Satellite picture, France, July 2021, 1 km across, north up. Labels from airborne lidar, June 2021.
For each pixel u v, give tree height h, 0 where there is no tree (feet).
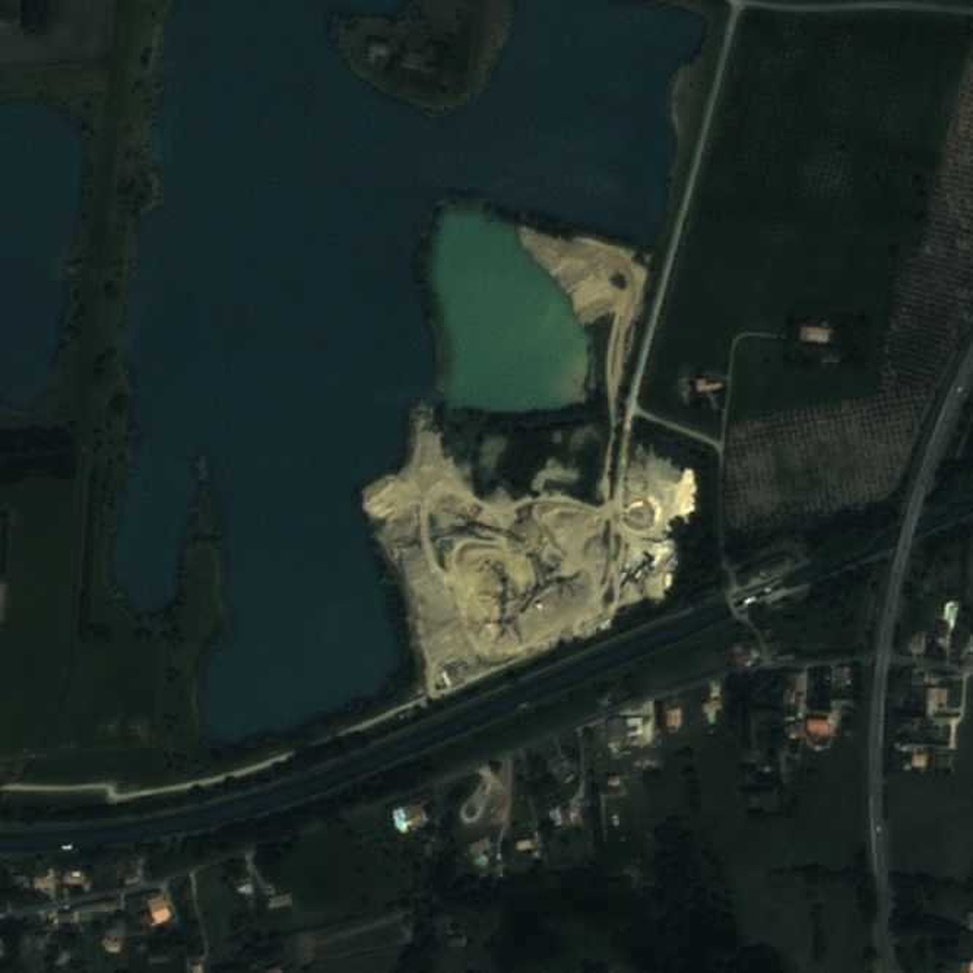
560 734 0
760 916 0
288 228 0
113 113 0
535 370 0
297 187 0
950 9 0
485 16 0
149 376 0
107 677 0
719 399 34
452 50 27
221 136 0
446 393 0
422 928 39
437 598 0
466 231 0
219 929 0
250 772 0
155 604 0
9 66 0
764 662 0
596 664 0
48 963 19
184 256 0
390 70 25
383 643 0
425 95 0
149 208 0
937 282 33
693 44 0
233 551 0
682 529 60
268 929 0
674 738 0
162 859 38
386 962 0
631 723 0
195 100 0
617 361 0
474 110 0
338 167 0
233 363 0
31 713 0
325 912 0
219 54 0
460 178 0
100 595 0
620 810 0
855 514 37
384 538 0
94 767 0
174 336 0
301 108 0
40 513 0
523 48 0
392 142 0
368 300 0
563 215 0
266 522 0
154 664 0
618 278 42
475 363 0
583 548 0
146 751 0
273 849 38
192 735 0
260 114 0
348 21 23
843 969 0
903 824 0
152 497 0
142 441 0
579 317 0
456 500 0
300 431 0
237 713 0
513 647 0
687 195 0
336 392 0
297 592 0
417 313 0
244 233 0
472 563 0
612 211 0
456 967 0
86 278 0
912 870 0
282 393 0
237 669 0
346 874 0
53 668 0
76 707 0
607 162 0
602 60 0
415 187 0
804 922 0
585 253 0
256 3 0
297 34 0
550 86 0
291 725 0
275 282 0
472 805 0
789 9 0
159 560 0
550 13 0
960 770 0
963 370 0
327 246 0
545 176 0
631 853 0
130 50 0
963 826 0
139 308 0
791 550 0
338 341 0
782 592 0
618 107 0
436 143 0
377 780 24
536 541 0
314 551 0
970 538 18
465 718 0
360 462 0
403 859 32
